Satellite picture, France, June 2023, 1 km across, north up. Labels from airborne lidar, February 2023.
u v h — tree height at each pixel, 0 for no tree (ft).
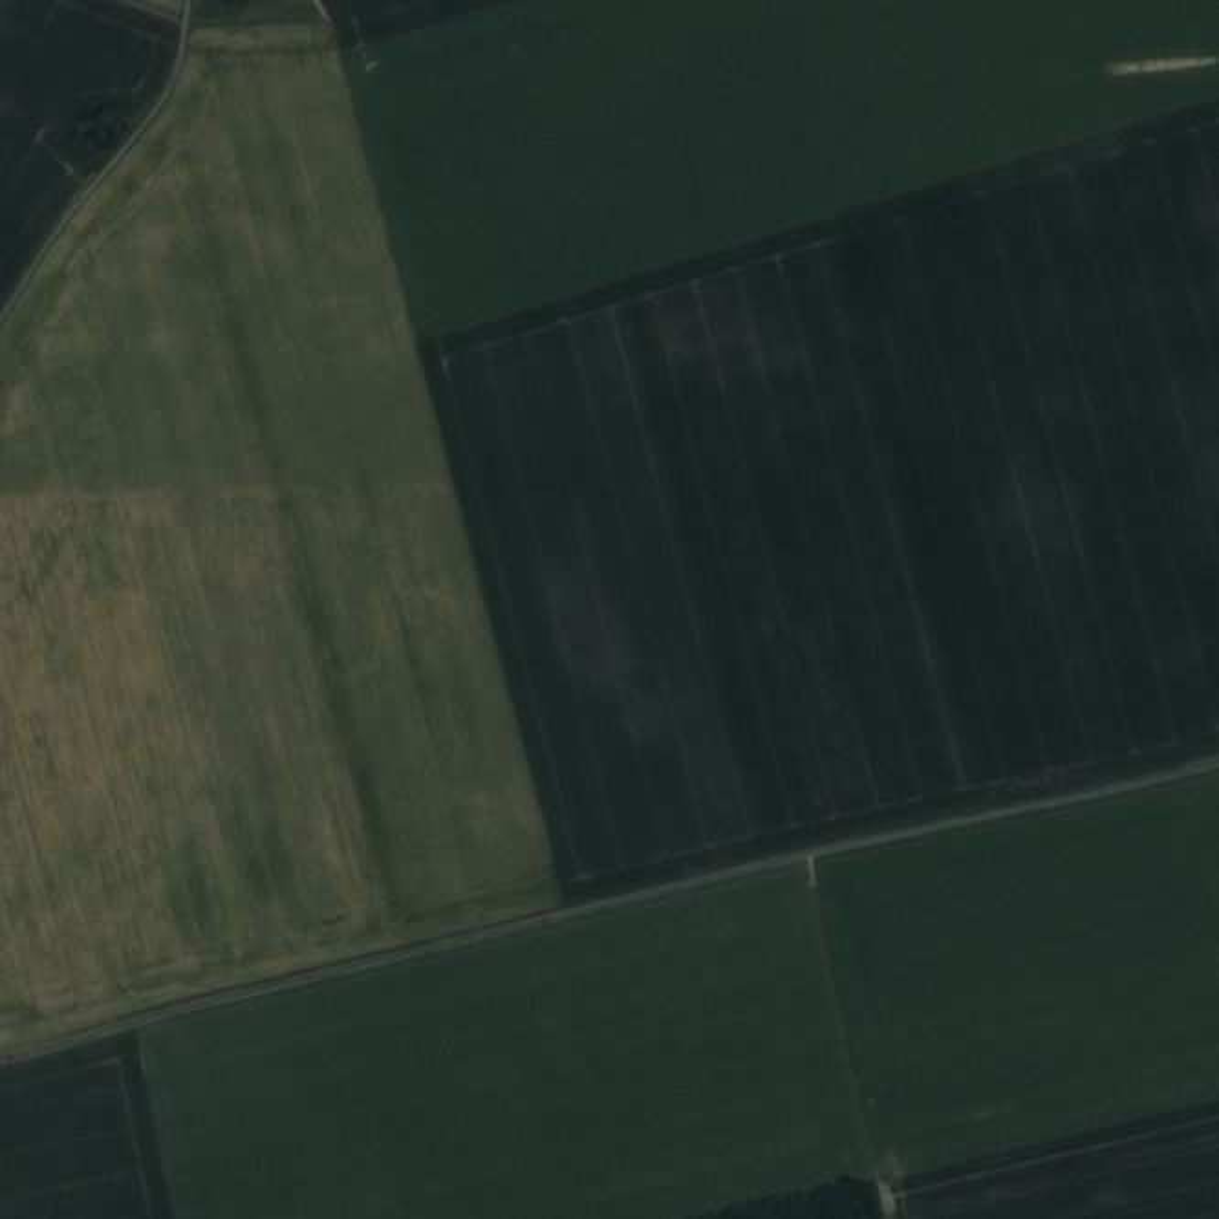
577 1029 0
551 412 0
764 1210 44
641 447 0
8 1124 0
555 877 0
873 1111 0
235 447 0
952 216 0
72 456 0
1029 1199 0
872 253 0
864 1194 43
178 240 0
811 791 0
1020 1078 0
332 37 0
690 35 0
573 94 0
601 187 0
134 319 0
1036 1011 0
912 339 0
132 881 0
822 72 0
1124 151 0
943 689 0
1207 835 0
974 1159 0
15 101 0
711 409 0
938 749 0
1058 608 0
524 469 0
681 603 0
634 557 0
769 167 0
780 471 0
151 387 0
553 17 0
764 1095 0
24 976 0
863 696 0
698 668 0
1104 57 0
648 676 0
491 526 0
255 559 0
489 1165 0
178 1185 0
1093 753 0
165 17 0
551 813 0
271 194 0
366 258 0
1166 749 0
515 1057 0
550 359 0
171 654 0
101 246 0
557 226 0
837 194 0
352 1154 0
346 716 0
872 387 0
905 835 0
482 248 0
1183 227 0
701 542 0
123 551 0
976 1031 0
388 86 0
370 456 0
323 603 0
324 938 0
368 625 0
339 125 0
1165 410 0
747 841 0
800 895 0
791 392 0
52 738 0
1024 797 0
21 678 0
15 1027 0
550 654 0
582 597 0
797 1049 0
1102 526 0
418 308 0
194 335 0
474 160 0
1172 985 0
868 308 0
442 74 0
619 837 0
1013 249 0
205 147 0
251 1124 0
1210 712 0
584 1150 0
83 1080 0
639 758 0
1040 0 0
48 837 0
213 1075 0
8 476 0
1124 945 0
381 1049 0
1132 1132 0
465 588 0
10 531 0
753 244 0
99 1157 0
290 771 0
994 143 0
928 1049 0
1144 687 0
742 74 0
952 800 0
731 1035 0
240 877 0
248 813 0
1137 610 0
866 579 0
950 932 0
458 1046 0
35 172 0
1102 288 0
